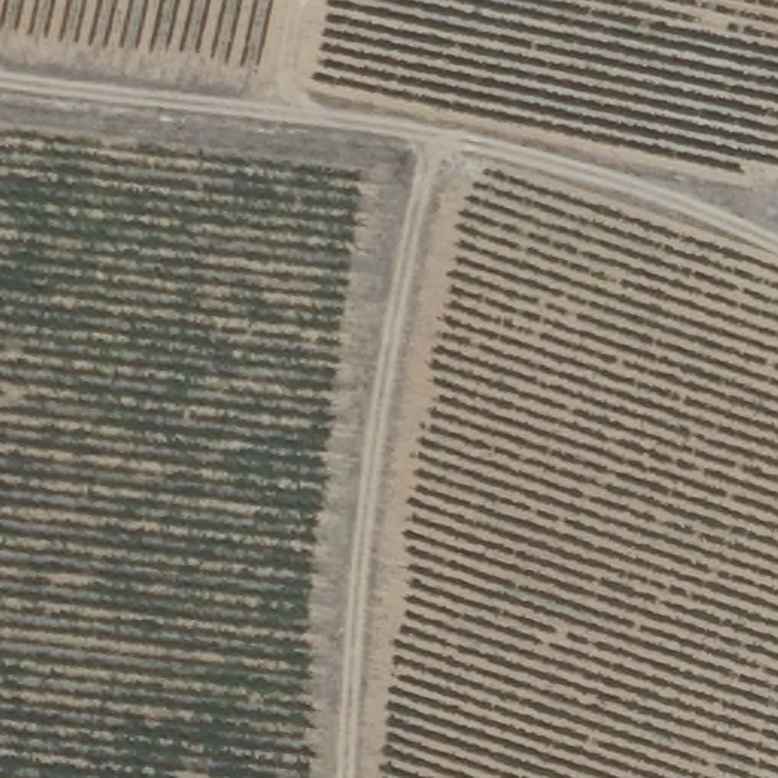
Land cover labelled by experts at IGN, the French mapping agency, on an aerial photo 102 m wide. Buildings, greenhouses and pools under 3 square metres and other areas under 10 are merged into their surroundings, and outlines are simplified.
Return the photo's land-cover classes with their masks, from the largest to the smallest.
<instances>
[{"label":"vineyard","instance_id":"1","mask_svg":"<svg viewBox=\"0 0 778 778\"><path fill-rule=\"evenodd\" d=\"M0 70L149 91L243 97L283 106L286 100H295L298 91H304L310 100L328 109L404 119L447 131H468L514 146L596 164L605 170H617L626 176H638L647 182H659L675 191H690L705 204L723 207L742 219L778 231V0H0ZM413 182V155L407 152V143L401 137L368 131L0 88V778H334L346 577L359 508L362 444L380 356L383 316L392 289V264ZM468 161H477L483 173L471 185V195L459 213V249L450 270V304L444 307V322L453 331H441L432 349V383L438 386V398L429 410L432 425H419L416 489L407 498L410 523H416V532H404L410 556V596L404 623L392 641L395 684L389 687L386 705L389 717L380 778H778V264L766 261V246L738 237L726 228H717L711 222H702L696 216L659 207L653 201L617 188H602L562 173H550L541 167L465 152Z\"/></svg>","mask_w":778,"mask_h":778},{"label":"pervious surface","instance_id":"2","mask_svg":"<svg viewBox=\"0 0 778 778\"><path fill-rule=\"evenodd\" d=\"M0 88L368 131L401 137L407 143V152L413 155V182L392 264V289L383 316L380 356L362 444L359 508L346 577L334 778H380L389 717L386 705L389 687L395 684L392 641L404 623L410 596V556L404 532H416V523H410L407 498L416 489L419 425H432L429 410L438 398V386L432 383V349L441 331H453L444 322V307L450 304V270L459 249V213L471 195V185L483 173L477 161H468L465 152L541 167L550 173H562L602 188H617L653 201L659 207L696 216L702 222H711L717 228H726L738 237L766 246V261L778 264V231L742 219L723 207L705 204L690 191H675L659 182H647L638 176H626L617 170H605L596 164L514 146L468 131H447L404 119L328 109L310 100L304 91H298L295 100H286L283 106L243 97L149 91L0 70Z\"/></svg>","mask_w":778,"mask_h":778}]
</instances>
